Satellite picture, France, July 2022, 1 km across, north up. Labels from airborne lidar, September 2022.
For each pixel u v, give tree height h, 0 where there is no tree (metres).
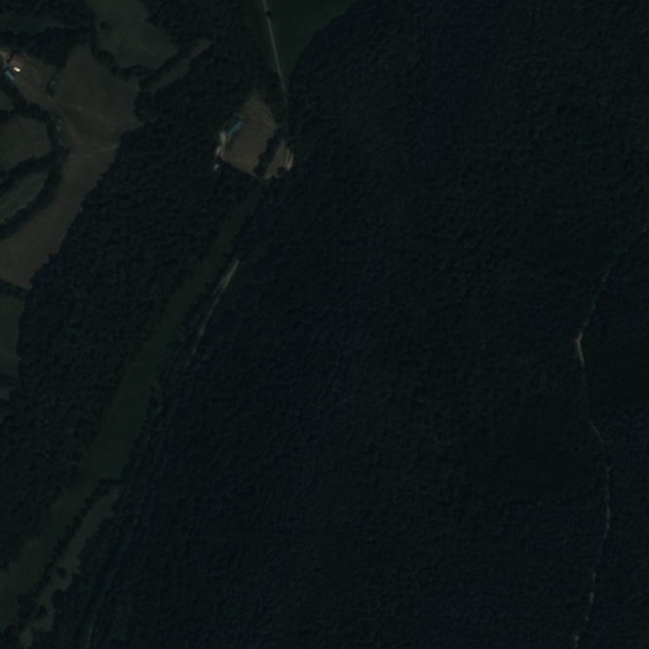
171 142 20
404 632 21
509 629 19
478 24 18
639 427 31
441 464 29
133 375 0
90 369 22
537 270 22
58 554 17
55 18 16
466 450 16
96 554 22
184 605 32
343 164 29
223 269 6
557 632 20
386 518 23
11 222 15
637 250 16
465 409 10
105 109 0
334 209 35
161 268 19
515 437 7
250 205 0
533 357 23
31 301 16
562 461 12
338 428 25
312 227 29
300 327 35
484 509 24
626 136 16
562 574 26
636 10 16
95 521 0
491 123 15
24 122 0
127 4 0
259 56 21
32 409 18
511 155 17
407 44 22
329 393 26
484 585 26
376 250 23
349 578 20
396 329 16
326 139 27
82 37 13
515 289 16
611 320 18
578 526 20
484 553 23
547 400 10
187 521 25
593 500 21
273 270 32
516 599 22
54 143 16
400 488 22
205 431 21
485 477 13
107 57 16
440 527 25
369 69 16
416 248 22
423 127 18
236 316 25
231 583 26
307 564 15
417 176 20
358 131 19
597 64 17
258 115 0
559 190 16
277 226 22
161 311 10
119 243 17
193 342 20
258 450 33
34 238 0
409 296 22
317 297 33
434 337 17
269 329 30
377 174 22
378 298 24
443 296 16
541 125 18
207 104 20
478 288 18
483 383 22
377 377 18
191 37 18
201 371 27
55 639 23
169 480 34
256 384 30
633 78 18
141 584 25
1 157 0
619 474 21
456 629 19
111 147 0
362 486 21
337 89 18
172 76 0
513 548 24
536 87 14
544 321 22
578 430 9
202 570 29
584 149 17
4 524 21
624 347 10
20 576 0
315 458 25
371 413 17
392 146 13
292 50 0
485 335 17
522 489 11
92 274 20
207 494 23
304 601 21
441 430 23
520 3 16
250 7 0
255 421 29
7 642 18
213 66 18
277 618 7
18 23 0
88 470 0
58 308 10
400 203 12
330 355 32
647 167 19
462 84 16
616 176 23
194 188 22
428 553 22
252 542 29
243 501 35
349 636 18
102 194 17
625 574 18
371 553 23
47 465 17
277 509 29
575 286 16
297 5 0
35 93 0
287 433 25
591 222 12
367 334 34
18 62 0
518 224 20
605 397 12
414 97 19
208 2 20
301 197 26
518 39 13
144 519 25
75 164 0
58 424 18
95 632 10
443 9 20
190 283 0
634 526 21
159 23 19
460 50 19
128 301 16
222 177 21
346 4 0
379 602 18
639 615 16
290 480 28
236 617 29
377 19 22
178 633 32
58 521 0
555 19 14
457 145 16
